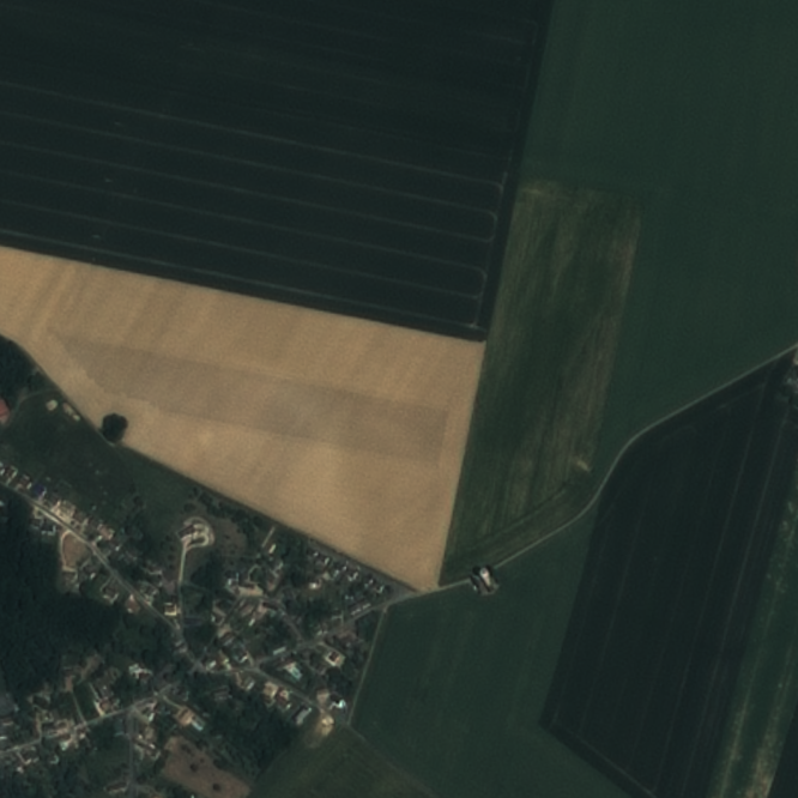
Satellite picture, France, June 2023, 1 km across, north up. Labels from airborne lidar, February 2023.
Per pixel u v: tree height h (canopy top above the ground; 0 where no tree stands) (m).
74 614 22
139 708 0
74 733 0
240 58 0
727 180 0
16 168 0
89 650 12
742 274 0
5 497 16
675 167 0
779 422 0
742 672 0
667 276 0
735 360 0
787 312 0
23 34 0
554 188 0
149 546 10
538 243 0
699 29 0
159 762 9
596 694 0
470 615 0
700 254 0
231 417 0
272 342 0
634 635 0
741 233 0
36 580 23
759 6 0
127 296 0
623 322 0
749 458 0
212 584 11
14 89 0
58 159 0
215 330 0
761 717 0
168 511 0
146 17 0
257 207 0
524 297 0
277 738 14
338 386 0
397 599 0
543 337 0
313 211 0
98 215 0
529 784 0
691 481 0
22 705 18
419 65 0
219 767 11
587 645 0
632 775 0
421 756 0
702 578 0
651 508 0
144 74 0
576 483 0
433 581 0
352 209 0
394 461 0
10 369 21
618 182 0
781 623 0
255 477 0
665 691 0
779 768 0
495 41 0
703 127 0
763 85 0
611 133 0
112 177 0
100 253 0
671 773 0
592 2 0
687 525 0
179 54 0
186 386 0
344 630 17
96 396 0
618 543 0
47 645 20
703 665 0
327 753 0
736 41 0
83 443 0
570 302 0
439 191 0
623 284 0
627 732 0
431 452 0
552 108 0
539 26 0
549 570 0
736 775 0
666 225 0
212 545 0
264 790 0
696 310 0
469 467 0
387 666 0
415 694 0
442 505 0
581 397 0
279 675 7
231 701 9
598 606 0
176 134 0
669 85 0
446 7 0
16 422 0
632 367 0
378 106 0
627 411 0
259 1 0
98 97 0
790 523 0
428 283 0
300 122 0
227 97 0
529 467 0
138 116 0
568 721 0
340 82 0
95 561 9
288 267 0
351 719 0
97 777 7
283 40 0
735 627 0
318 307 0
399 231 0
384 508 0
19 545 18
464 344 0
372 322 0
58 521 0
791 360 0
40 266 0
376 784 0
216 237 0
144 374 0
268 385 0
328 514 0
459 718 0
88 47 0
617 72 0
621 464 0
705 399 0
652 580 0
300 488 0
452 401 0
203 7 0
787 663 0
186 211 0
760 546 0
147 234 0
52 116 0
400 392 0
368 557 0
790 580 0
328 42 0
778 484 0
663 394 0
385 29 0
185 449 0
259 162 0
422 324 0
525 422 0
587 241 0
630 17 0
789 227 0
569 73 0
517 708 0
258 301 0
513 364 0
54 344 0
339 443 0
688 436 0
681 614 0
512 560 0
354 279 0
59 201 0
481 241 0
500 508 0
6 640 23
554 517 0
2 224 0
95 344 0
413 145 0
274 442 0
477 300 0
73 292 0
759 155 0
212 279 0
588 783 0
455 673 0
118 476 0
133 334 0
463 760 0
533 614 0
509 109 0
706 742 0
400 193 0
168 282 0
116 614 16
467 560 0
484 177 0
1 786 14
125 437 0
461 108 0
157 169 0
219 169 0
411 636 0
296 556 17
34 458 0
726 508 0
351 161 0
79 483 0
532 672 0
